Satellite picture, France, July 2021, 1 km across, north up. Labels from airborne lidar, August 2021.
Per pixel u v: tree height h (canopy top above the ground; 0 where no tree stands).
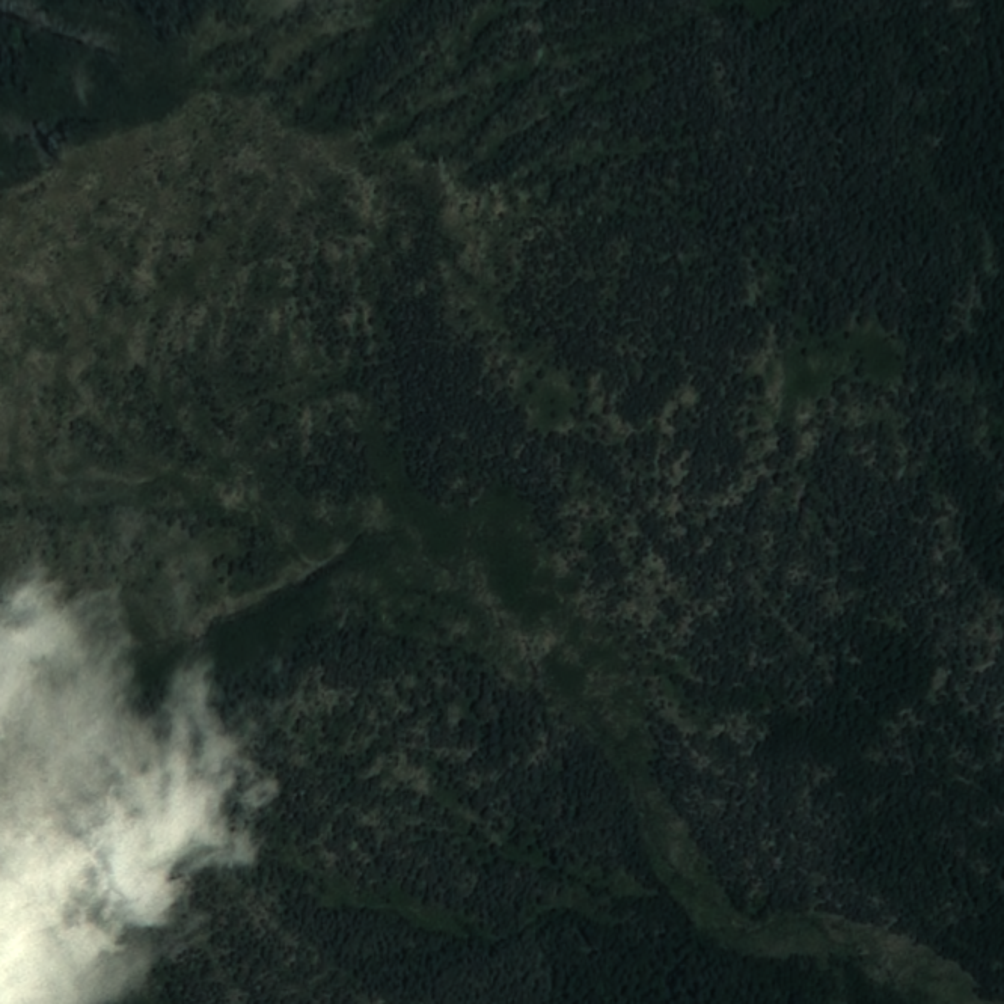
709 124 12
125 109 0
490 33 13
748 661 11
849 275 16
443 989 17
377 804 13
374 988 11
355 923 17
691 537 16
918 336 30
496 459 11
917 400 20
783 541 13
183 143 0
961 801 16
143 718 9
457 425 10
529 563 0
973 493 29
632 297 11
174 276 0
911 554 13
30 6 0
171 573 0
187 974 7
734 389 10
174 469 0
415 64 14
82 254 0
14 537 0
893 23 21
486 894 21
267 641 0
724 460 13
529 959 14
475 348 6
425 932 11
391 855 9
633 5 16
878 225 23
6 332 0
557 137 7
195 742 6
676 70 14
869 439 11
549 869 20
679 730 7
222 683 11
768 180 12
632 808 18
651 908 13
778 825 13
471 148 7
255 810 13
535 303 12
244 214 0
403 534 0
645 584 10
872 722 22
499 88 11
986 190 20
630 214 13
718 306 13
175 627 0
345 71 0
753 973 15
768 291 10
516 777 23
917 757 11
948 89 25
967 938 30
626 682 0
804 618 20
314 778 8
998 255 16
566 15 10
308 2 9
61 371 0
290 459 7
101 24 0
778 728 19
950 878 9
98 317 0
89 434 10
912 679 22
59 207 0
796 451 22
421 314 7
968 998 0
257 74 8
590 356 15
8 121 0
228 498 0
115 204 0
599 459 12
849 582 11
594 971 28
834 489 11
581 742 14
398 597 0
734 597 8
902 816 21
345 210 6
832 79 21
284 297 0
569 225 6
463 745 12
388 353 10
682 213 8
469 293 0
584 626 0
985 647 11
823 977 11
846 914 13
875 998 11
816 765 11
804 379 0
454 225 0
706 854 8
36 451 0
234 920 8
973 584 19
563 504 9
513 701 21
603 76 7
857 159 20
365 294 6
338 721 8
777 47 12
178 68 0
